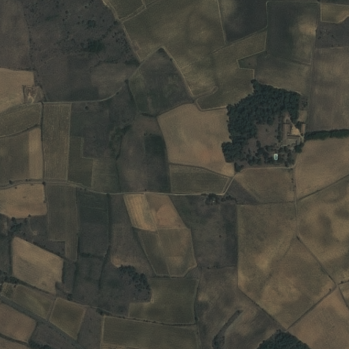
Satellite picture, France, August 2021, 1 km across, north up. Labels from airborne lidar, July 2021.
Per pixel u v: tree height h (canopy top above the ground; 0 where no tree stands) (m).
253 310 0
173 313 0
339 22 0
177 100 0
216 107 0
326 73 0
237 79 0
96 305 0
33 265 0
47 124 0
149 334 0
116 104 0
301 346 18
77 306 0
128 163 0
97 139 0
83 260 0
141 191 0
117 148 0
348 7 0
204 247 0
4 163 0
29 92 0
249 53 0
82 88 0
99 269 0
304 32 0
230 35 0
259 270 0
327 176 0
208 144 0
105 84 0
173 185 0
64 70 0
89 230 0
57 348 0
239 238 0
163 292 0
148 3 0
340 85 0
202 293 0
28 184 0
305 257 0
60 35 0
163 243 0
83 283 0
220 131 0
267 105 18
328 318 0
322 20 0
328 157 0
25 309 0
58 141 0
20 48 0
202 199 0
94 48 11
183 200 0
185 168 0
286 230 0
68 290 0
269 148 18
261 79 0
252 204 0
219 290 0
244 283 0
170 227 0
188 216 0
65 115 0
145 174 0
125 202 0
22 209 0
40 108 0
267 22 0
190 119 0
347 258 0
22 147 0
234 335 0
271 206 0
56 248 0
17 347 0
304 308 0
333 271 0
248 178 0
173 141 0
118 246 0
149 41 0
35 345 6
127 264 0
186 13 0
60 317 0
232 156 15
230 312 0
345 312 0
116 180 0
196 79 0
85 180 0
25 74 0
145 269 0
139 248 0
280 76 0
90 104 0
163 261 0
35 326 0
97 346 0
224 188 0
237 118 15
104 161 0
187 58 0
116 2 0
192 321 0
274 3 0
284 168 0
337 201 0
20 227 9
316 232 0
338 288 0
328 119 0
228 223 0
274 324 0
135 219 0
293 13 0
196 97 0
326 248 0
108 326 0
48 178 0
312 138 15
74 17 0
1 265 0
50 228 0
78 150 0
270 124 15
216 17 0
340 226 0
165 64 0
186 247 0
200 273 0
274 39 0
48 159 0
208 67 0
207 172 0
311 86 0
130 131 0
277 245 0
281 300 0
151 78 0
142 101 0
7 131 0
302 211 0
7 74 0
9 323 0
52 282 0
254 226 0
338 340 0
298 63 0
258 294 0
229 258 0
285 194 0
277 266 0
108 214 0
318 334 0
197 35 0
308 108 0
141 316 0
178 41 0
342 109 0
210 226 0
